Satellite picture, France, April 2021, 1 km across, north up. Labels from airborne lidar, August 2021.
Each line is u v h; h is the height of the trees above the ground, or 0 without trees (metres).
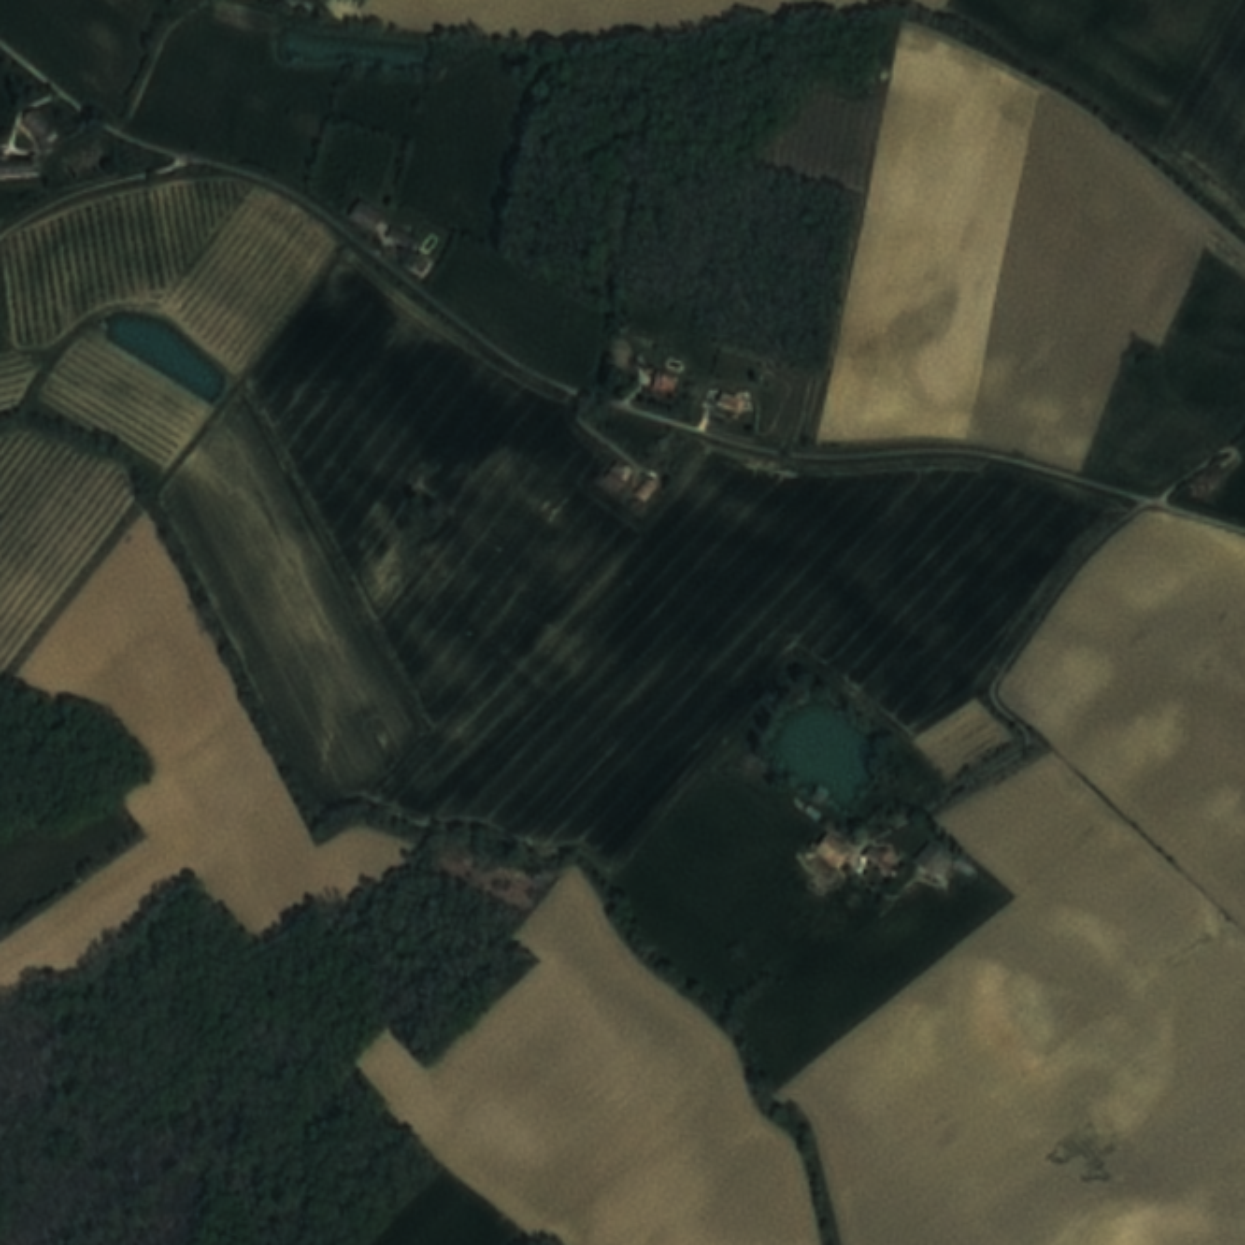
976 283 0
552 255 20
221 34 0
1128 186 0
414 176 0
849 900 0
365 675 0
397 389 0
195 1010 18
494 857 10
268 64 0
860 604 0
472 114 0
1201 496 0
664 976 14
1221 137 0
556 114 22
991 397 0
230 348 0
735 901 0
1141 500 0
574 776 0
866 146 0
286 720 0
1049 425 0
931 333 0
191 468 0
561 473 0
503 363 0
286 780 14
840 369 0
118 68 0
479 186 0
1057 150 0
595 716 0
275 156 0
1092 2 0
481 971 12
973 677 0
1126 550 0
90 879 13
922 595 0
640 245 14
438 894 13
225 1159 20
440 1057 20
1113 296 0
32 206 8
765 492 0
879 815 11
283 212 0
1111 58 0
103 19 0
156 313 0
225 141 0
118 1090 16
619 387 8
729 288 17
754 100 20
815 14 15
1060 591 0
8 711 24
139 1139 11
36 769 26
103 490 0
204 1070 23
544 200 22
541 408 0
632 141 12
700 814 0
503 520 0
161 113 0
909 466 0
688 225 16
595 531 0
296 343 0
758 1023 0
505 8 0
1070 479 0
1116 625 0
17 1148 16
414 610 0
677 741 0
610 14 0
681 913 0
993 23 0
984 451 0
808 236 20
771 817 0
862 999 0
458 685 0
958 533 0
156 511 14
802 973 0
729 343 8
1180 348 0
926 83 0
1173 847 0
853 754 0
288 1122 20
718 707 0
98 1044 18
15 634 0
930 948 0
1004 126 0
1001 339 0
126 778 16
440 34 12
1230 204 0
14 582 0
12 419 14
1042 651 0
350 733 0
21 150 0
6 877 0
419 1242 0
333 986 28
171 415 0
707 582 0
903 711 0
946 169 0
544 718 0
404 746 0
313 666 0
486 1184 0
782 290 17
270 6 6
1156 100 0
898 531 0
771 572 0
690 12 0
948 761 0
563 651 0
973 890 0
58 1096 17
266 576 0
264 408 0
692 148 20
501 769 0
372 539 0
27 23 0
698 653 0
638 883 0
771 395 0
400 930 23
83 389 0
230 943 20
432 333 0
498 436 0
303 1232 11
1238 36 0
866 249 0
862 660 0
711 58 18
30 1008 16
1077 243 0
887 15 17
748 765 0
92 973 20
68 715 18
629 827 0
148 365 0
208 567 0
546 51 22
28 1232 18
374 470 0
